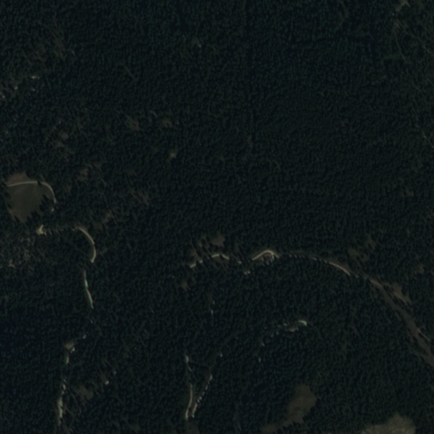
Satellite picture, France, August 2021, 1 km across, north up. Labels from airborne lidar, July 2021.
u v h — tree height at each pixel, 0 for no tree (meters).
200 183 17
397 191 16
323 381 6
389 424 0
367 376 15
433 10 23
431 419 14
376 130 11
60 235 11
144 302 18
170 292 22
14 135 14
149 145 16
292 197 13
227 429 11
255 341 14
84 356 29
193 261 24
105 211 19
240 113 18
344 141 19
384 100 16
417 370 23
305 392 0
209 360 22
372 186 16
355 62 13
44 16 9
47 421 14
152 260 13
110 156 19
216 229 16
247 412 14
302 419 0
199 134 14
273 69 17
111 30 19
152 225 11
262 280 17
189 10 22
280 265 8
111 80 20
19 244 13
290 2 17
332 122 19
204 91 16
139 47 16
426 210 17
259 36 21
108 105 19
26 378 10
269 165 12
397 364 22
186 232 18
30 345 9
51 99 17
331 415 19
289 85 17
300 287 19
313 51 19
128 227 15
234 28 11
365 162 18
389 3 30
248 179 22
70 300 12
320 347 14
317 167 10
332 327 18
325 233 12
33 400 10
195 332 12
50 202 27
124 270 12
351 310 20
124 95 17
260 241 21
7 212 21
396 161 15
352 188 15
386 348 20
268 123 13
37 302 20
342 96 14
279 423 16
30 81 12
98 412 26
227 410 20
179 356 10
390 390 11
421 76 25
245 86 21
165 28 12
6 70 21
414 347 26
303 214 11
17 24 13
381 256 22
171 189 13
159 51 12
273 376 9
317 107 18
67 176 24
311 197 14
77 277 15
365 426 12
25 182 0
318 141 15
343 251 13
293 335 11
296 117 15
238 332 17
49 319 21
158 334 23
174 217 9
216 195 24
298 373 18
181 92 17
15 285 14
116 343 17
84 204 20
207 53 12
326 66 17
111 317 9
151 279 21
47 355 14
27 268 14
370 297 24
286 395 18
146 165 18
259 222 15
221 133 10
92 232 20
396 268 19
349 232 20
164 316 14
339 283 12
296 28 18
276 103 14
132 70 15
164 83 16
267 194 19
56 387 13
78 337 15
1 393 11
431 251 26
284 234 10
